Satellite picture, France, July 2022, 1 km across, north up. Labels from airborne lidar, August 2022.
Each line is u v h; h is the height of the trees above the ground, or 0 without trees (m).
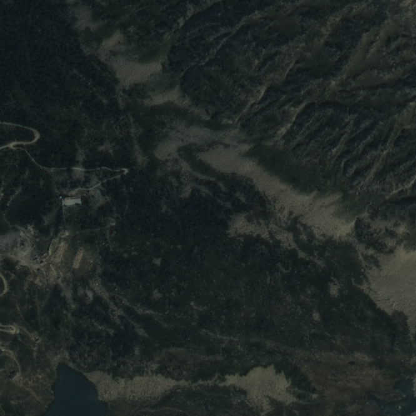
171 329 0
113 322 0
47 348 0
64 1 10
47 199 7
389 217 0
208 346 0
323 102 0
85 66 9
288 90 0
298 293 0
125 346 6
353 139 0
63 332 0
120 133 6
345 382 0
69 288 0
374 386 0
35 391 0
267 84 0
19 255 0
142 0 0
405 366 0
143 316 0
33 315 0
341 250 0
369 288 0
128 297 0
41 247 0
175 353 0
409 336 0
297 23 0
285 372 0
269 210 0
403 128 0
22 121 8
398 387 0
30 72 8
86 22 0
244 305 0
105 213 9
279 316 0
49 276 0
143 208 6
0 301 0
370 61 0
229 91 0
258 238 0
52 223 0
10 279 0
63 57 7
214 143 0
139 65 0
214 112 14
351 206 0
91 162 7
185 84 13
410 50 0
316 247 0
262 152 0
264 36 0
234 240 0
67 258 0
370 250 0
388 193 0
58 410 0
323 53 0
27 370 0
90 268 0
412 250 0
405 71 0
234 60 0
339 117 7
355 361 0
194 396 0
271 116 0
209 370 0
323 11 0
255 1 0
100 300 0
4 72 9
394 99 0
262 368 0
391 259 0
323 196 0
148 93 0
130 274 0
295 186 0
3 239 0
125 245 0
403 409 0
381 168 0
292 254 0
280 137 0
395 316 0
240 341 0
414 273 0
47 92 13
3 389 0
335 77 7
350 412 0
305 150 0
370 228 6
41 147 6
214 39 0
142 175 9
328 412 0
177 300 0
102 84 9
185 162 0
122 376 0
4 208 9
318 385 0
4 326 0
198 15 0
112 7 0
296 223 0
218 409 0
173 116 0
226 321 0
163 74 0
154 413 0
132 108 0
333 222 0
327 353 0
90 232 0
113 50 0
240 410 0
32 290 0
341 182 0
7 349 0
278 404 0
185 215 9
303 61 0
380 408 0
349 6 0
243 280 0
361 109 0
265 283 0
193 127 0
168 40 0
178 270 0
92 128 0
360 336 0
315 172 0
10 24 10
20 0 9
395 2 0
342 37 0
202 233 0
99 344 6
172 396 0
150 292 0
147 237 0
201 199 9
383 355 0
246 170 0
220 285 0
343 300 0
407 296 0
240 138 0
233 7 0
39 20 6
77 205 9
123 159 7
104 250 0
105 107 7
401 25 0
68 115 0
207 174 0
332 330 0
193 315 0
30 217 7
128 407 0
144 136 0
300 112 0
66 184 10
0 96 8
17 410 0
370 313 0
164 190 7
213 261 0
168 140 0
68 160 8
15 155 6
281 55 0
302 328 0
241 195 0
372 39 0
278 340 0
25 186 12
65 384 0
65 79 10
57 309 0
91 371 0
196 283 0
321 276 0
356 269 0
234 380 0
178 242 0
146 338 0
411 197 0
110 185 12
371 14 0
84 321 0
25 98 0
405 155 0
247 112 0
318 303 0
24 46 12
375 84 0
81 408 0
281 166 0
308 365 0
